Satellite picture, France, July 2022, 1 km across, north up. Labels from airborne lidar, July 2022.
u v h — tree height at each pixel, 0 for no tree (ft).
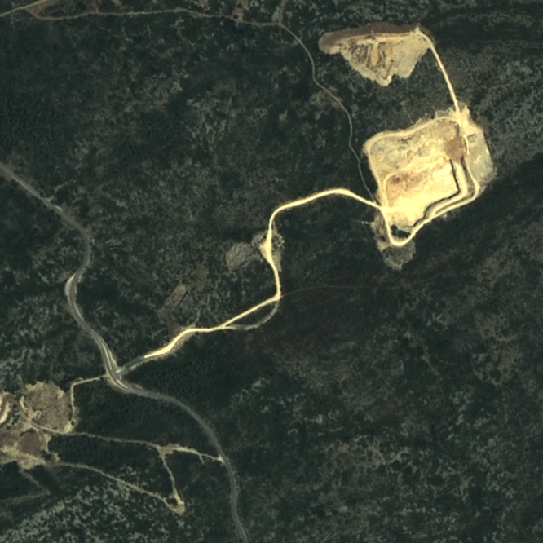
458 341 0
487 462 0
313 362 0
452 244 0
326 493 0
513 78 0
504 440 0
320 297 0
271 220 0
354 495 0
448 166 0
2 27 21
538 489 0
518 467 0
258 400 0
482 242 0
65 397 0
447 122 0
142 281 0
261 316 0
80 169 17
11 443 0
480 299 0
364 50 0
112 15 20
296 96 17
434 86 0
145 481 0
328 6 0
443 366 0
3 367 0
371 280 0
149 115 20
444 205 0
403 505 0
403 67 0
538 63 0
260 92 23
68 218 0
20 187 0
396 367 0
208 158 0
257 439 0
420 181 0
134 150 23
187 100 0
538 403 0
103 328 0
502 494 0
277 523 0
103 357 0
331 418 0
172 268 0
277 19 0
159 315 0
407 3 0
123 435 18
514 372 0
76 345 0
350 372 0
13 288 0
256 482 0
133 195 0
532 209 0
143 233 0
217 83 0
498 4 0
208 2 0
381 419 0
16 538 0
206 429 0
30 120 28
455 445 0
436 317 0
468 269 0
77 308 0
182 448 0
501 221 0
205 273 0
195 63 0
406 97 0
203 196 0
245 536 0
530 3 0
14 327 0
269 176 0
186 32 18
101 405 18
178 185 0
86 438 27
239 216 0
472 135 0
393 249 0
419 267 0
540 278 0
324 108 0
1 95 23
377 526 0
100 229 0
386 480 0
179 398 23
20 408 0
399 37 0
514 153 0
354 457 0
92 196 18
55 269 0
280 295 0
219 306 0
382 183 0
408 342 24
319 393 0
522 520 0
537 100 0
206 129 0
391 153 0
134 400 27
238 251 0
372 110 0
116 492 0
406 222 0
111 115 0
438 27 0
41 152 19
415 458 0
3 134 21
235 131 0
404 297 0
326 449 0
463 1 0
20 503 0
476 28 0
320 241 0
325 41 0
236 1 0
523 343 0
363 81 0
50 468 0
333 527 0
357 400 0
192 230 0
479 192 0
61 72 0
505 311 0
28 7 0
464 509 0
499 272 0
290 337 0
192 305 0
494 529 0
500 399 0
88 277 0
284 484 0
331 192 0
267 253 0
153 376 25
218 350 0
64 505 0
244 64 0
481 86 0
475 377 0
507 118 0
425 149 0
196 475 0
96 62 0
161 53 0
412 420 0
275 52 0
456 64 0
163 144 23
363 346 0
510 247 0
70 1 0
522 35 0
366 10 0
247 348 0
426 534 0
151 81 0
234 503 0
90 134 0
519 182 0
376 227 0
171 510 0
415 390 0
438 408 0
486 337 0
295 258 0
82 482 0
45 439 0
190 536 0
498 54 0
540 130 0
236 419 0
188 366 24
